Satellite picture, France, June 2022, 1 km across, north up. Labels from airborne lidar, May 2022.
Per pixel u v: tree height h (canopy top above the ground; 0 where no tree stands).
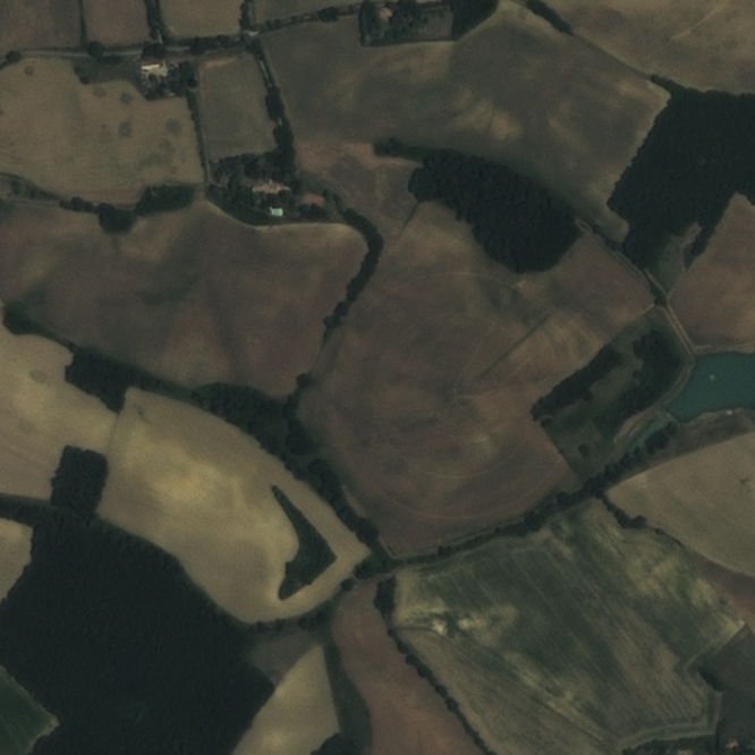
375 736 0
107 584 17
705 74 0
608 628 0
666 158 14
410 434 0
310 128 0
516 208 22
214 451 0
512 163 0
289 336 0
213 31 0
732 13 0
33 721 0
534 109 0
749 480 0
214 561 0
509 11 0
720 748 13
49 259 0
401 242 0
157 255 0
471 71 0
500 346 0
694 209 12
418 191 18
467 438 0
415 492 0
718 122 15
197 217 0
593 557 0
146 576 14
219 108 0
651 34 0
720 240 0
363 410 0
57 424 0
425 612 0
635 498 0
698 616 0
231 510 0
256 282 0
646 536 0
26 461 0
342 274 0
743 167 15
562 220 14
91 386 7
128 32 0
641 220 17
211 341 0
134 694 13
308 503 0
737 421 0
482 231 18
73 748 18
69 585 15
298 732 0
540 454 0
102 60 6
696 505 0
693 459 0
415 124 0
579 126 0
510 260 18
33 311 0
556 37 0
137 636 14
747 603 0
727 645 0
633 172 17
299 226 0
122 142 0
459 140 0
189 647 13
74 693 10
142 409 0
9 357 0
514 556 0
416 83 0
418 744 0
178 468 0
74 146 0
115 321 0
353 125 0
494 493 0
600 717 0
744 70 0
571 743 0
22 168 0
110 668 10
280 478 0
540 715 0
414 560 7
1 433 0
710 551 0
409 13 11
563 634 0
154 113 0
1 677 0
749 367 0
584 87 0
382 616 7
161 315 0
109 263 0
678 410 0
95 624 16
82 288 0
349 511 14
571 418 0
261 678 18
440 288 0
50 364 0
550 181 0
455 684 0
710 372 0
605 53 0
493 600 0
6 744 0
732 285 0
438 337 0
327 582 0
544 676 0
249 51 10
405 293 0
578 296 0
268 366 0
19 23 0
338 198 10
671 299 0
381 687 0
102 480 19
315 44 0
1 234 0
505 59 0
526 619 0
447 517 0
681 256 0
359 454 0
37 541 15
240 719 12
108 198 0
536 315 0
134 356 0
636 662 0
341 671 0
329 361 0
